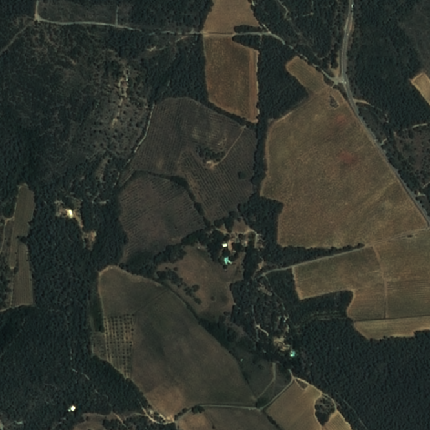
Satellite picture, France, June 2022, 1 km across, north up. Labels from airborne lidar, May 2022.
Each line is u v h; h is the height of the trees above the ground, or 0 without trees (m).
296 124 0
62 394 12
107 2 13
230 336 7
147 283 0
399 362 14
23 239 14
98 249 13
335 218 0
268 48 12
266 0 14
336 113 0
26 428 10
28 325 7
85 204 18
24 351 6
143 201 0
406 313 0
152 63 9
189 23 15
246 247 6
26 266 0
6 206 7
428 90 0
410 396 14
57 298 17
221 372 0
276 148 0
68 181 17
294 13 10
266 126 14
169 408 0
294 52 15
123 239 18
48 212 18
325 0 6
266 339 14
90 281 18
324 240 0
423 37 0
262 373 0
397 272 0
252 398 0
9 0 14
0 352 11
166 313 0
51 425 6
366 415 12
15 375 7
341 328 15
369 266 0
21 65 6
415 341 15
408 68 9
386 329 0
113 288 0
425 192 11
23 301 0
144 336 0
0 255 7
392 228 0
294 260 10
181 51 14
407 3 8
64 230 17
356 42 8
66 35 7
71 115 7
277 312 13
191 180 0
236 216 18
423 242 0
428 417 14
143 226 0
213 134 0
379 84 12
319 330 17
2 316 18
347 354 11
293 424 0
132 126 15
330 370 13
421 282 0
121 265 9
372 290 0
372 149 0
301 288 0
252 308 15
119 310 0
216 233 12
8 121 6
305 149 0
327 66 7
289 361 9
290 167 0
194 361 0
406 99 13
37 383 11
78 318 18
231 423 0
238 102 0
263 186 0
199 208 12
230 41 0
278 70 13
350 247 13
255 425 0
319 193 0
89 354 12
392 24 11
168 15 14
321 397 0
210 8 17
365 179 0
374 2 13
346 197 0
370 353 14
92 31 13
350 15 0
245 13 0
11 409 13
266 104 14
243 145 0
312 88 0
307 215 0
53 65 6
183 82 11
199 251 0
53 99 8
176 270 12
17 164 17
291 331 7
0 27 8
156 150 0
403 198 0
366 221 0
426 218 0
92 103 6
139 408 13
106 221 16
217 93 0
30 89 6
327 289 0
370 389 8
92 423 0
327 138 0
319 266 0
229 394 0
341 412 5
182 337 0
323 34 12
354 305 0
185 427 0
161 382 0
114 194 11
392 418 10
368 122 7
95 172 17
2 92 6
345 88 0
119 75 12
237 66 0
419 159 0
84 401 16
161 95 17
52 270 18
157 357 0
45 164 7
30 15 15
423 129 5
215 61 0
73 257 15
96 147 13
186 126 0
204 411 11
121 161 16
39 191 19
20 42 7
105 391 15
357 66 9
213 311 0
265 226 9
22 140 13
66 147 8
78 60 6
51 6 0
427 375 18
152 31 13
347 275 0
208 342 0
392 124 12
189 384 0
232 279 0
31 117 6
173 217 0
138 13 11
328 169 0
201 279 0
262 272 15
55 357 9
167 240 0
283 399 0
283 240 0
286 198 0
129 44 19
